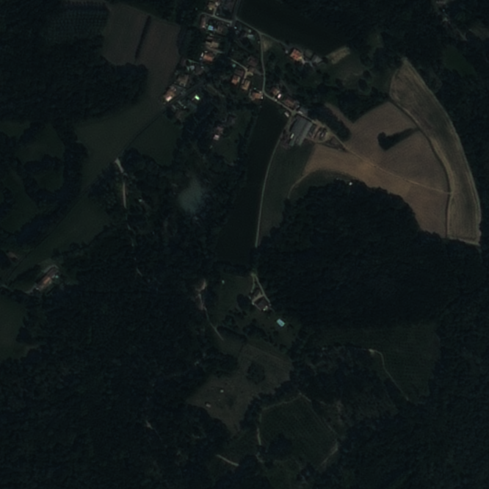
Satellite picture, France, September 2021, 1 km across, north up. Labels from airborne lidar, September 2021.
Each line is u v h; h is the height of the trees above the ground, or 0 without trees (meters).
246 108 9
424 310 24
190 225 23
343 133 26
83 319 28
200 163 0
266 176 0
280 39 0
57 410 23
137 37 0
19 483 24
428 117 0
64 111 24
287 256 21
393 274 25
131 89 28
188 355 24
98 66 27
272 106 0
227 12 16
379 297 23
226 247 0
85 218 0
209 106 29
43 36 23
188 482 31
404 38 28
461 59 0
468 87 26
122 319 20
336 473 0
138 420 23
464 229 0
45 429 25
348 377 29
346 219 27
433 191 0
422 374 0
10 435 21
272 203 0
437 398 21
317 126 0
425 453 20
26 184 13
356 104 23
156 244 15
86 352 22
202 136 23
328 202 27
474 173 6
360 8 27
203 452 27
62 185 0
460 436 9
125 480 19
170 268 20
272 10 0
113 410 25
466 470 8
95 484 19
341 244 26
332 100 0
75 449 24
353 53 25
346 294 29
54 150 0
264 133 0
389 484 25
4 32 25
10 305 0
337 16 33
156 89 0
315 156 0
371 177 0
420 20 26
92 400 24
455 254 23
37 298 11
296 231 11
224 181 7
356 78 0
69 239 0
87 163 0
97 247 10
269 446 0
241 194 0
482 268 18
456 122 15
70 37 19
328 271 23
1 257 20
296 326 19
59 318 28
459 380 13
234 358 7
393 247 26
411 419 21
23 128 0
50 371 28
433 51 22
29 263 0
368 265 22
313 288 25
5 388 16
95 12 21
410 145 0
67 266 9
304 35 0
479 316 15
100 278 19
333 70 0
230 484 21
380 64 27
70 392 19
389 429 25
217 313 0
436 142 0
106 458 28
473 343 9
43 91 20
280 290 26
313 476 0
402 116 0
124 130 0
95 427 27
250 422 12
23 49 19
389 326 23
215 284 13
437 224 0
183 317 27
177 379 26
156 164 14
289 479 0
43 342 9
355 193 25
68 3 0
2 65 22
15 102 20
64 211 17
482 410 15
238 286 0
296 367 16
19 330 0
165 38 0
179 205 0
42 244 0
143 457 28
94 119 8
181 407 10
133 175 20
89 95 24
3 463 28
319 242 24
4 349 0
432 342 0
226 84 11
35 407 26
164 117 0
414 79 0
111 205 18
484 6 34
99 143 0
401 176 0
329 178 0
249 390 0
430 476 8
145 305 16
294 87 9
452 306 25
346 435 0
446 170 0
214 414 0
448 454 9
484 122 18
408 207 15
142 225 24
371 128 0
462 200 0
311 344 16
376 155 0
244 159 16
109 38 0
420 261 23
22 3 28
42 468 15
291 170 0
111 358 27
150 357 25
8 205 16
